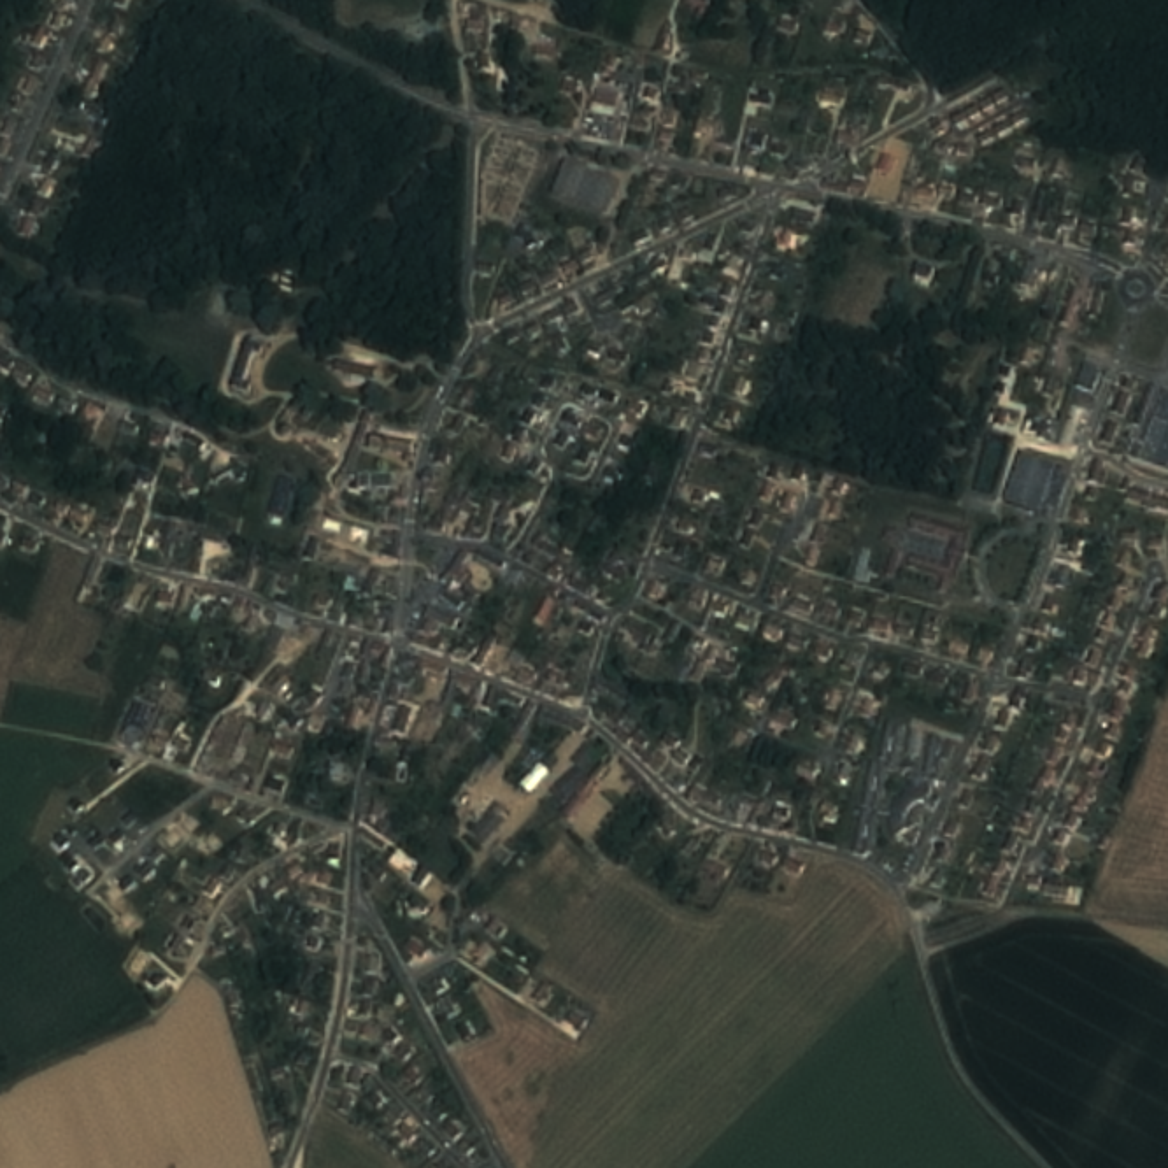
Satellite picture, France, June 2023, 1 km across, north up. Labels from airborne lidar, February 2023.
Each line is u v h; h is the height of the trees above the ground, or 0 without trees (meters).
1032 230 0
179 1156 0
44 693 0
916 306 12
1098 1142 0
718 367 0
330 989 6
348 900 0
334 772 0
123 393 10
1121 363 0
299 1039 7
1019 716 0
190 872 0
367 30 14
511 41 14
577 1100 0
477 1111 0
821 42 0
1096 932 0
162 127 16
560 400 0
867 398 24
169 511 11
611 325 0
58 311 23
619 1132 0
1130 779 11
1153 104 20
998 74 13
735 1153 0
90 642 0
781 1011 0
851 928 0
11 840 0
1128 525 0
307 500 19
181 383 21
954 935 0
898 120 0
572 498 15
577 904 0
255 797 0
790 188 0
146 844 0
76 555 0
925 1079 0
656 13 0
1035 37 20
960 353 10
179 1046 0
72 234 12
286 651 0
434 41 17
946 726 0
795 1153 0
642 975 0
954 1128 0
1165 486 0
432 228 24
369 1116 5
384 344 14
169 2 20
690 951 0
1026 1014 0
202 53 24
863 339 18
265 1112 0
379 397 26
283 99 24
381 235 26
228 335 0
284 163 8
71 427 17
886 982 0
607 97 0
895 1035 0
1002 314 0
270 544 13
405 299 16
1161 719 0
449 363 20
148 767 0
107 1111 0
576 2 17
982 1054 0
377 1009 0
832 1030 0
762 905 0
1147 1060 0
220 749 0
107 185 7
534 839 9
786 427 15
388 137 22
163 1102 0
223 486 0
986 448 0
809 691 7
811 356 20
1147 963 0
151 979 7
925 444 26
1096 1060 0
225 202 20
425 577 0
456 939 8
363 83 24
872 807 0
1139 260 0
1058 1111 0
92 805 0
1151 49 15
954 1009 0
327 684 0
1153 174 10
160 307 25
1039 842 0
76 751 0
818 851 0
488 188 0
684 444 11
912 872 0
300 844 0
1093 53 19
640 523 20
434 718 0
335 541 0
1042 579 0
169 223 11
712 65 0
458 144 12
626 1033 0
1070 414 0
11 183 0
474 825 9
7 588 0
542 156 0
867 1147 0
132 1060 0
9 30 12
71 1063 0
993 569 0
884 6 14
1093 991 0
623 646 0
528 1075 0
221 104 23
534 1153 0
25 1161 0
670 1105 0
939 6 21
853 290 0
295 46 22
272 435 0
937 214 0
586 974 0
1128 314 0
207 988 0
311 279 14
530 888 0
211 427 9
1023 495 0
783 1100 0
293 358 0
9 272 24
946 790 0
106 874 0
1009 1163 0
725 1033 0
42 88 0
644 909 0
